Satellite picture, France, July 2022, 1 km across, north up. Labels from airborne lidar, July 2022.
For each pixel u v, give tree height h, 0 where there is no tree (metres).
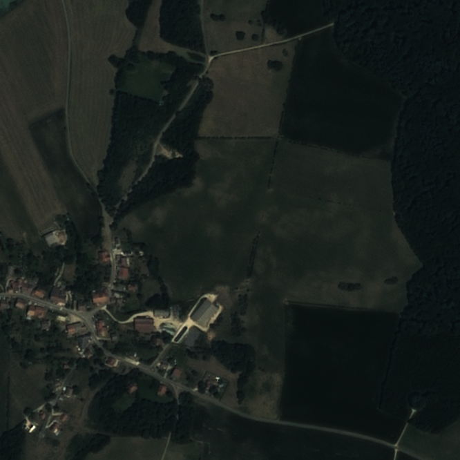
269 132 0
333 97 0
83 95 0
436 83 21
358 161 0
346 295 0
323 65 0
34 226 0
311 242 0
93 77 0
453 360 8
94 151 0
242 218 0
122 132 14
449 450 0
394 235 0
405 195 22
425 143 25
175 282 0
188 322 0
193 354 23
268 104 0
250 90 0
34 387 0
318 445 0
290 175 0
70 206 0
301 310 0
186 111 8
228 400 0
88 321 0
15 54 0
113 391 16
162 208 0
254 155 0
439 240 28
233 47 0
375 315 0
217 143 0
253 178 0
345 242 0
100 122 0
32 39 0
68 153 0
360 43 20
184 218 0
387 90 0
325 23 0
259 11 0
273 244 0
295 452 0
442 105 29
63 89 0
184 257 0
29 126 0
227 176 0
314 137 0
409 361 9
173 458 0
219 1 0
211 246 0
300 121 0
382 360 0
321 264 0
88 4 0
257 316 0
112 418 13
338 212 0
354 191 0
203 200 0
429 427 9
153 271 13
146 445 0
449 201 32
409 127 28
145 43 0
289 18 0
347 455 0
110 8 0
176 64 18
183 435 16
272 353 0
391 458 0
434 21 25
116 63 17
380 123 0
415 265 0
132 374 8
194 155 15
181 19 21
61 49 0
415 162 22
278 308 0
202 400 0
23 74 0
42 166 0
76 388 13
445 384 8
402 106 0
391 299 0
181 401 6
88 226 0
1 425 0
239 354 14
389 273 0
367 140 0
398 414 12
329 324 0
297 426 0
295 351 0
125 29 0
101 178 9
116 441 0
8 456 11
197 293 0
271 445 0
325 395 0
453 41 23
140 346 8
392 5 28
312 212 0
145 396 0
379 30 27
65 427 0
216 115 0
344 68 0
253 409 0
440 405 8
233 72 0
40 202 0
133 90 0
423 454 0
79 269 7
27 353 14
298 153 0
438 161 28
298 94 0
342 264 0
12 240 6
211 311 0
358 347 0
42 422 0
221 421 0
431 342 8
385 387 10
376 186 0
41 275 13
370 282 0
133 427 12
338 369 0
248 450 0
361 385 0
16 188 0
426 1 27
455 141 30
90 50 0
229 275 0
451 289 30
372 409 0
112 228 14
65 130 6
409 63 26
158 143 0
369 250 0
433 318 27
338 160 0
